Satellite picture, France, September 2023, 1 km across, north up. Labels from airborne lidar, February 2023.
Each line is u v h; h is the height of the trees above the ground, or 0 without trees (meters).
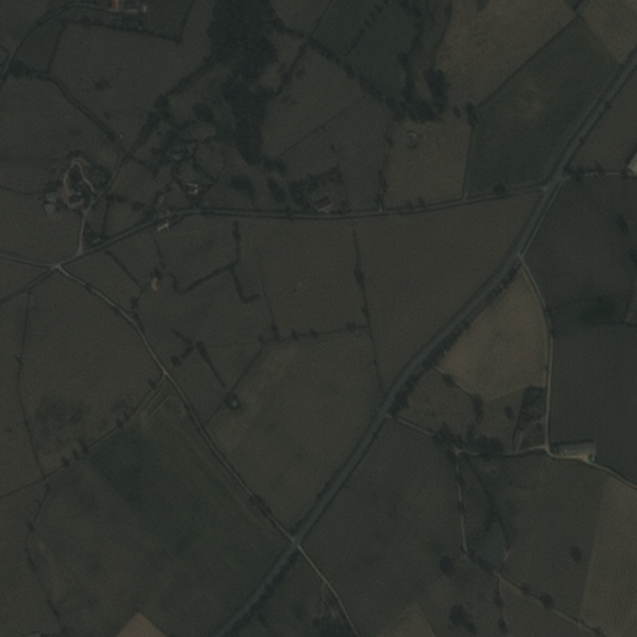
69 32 0
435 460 0
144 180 0
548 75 0
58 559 0
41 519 0
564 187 0
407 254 0
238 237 8
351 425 0
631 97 0
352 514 0
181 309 0
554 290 0
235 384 0
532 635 0
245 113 17
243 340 0
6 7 0
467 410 0
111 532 0
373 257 0
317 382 0
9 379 0
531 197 0
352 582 0
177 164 6
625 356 0
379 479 0
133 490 0
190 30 0
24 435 0
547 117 0
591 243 0
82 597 0
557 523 0
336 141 0
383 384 0
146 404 0
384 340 0
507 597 0
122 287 0
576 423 0
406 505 0
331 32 0
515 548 0
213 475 0
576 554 11
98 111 0
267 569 0
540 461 0
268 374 0
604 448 0
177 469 0
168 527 0
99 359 0
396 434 0
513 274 10
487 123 0
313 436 0
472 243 0
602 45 0
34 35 0
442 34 0
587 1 0
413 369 0
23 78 0
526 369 0
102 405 0
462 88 0
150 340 0
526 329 0
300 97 0
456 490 0
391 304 0
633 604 0
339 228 0
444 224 0
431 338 0
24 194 0
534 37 0
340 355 0
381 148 0
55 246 0
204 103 0
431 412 0
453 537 0
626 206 0
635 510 0
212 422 0
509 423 0
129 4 0
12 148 0
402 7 11
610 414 0
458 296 0
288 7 0
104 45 0
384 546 0
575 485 0
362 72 0
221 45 14
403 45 0
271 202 0
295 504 0
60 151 0
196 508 0
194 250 0
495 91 0
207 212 11
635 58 0
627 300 0
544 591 0
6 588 0
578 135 0
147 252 0
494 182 0
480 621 0
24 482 0
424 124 0
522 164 0
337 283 0
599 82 0
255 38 31
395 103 12
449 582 0
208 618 0
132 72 0
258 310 0
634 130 0
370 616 0
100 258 0
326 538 0
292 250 0
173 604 0
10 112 0
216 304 0
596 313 0
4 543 0
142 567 0
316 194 0
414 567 0
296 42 0
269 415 0
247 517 0
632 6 0
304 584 0
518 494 0
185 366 0
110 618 0
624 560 0
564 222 0
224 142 0
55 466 0
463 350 0
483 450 15
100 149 0
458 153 0
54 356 0
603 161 0
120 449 0
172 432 0
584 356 0
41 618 0
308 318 0
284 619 0
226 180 0
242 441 0
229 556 0
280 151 0
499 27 0
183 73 0
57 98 0
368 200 0
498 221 0
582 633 0
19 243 0
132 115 0
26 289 0
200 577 0
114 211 0
